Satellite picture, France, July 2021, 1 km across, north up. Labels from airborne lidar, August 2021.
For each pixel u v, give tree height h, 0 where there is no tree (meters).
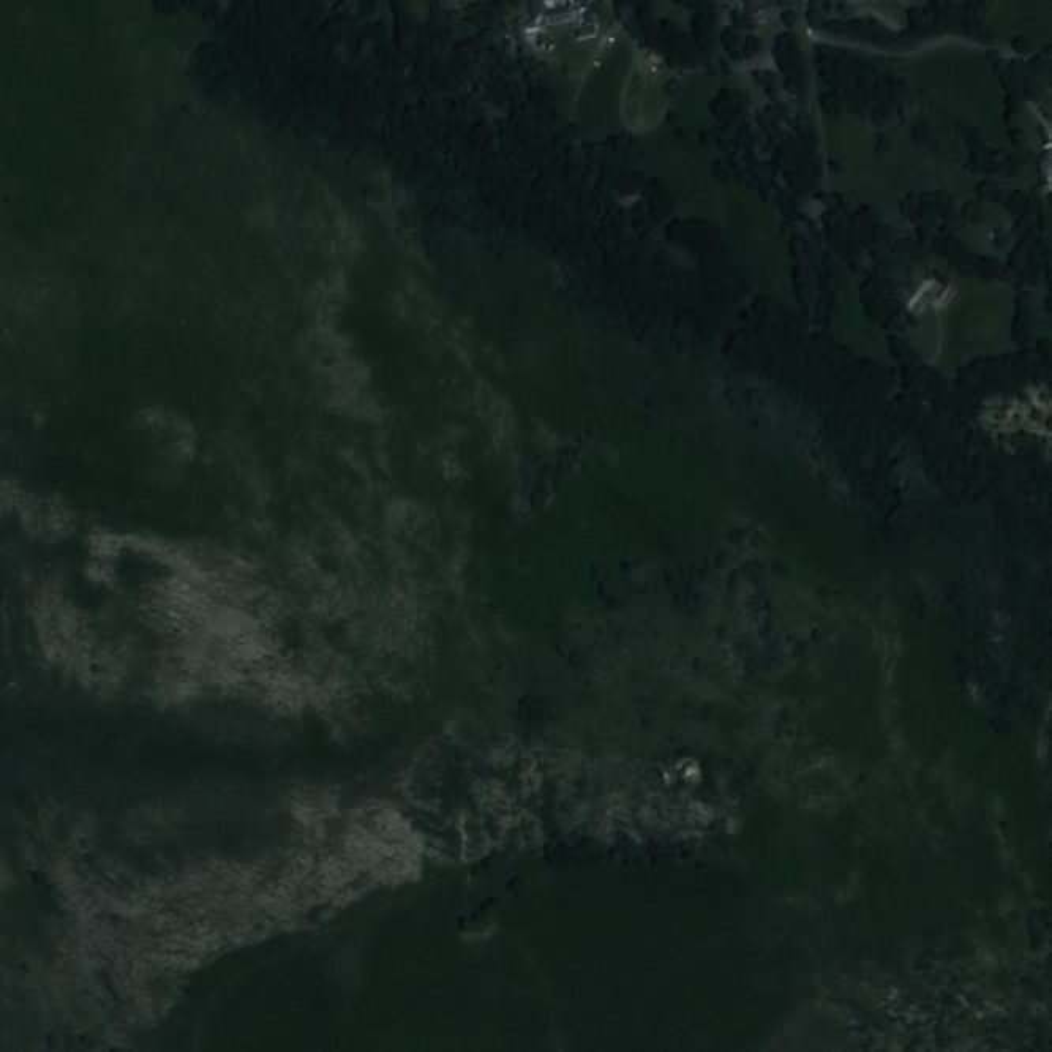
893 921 0
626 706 0
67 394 0
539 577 0
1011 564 14
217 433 0
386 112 18
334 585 0
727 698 0
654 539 0
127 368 0
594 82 0
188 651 0
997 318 0
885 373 30
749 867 0
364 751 0
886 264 13
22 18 0
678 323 22
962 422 12
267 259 0
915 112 22
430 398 0
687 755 13
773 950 0
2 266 0
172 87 0
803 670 0
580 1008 0
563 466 7
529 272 0
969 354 0
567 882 0
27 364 0
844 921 0
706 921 0
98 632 0
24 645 0
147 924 0
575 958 0
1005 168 21
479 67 20
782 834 0
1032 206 23
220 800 0
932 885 0
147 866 0
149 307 0
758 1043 0
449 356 0
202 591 0
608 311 15
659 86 0
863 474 20
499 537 0
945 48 0
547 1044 0
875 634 0
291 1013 0
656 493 0
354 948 0
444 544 0
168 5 20
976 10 15
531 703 8
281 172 0
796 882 0
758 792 0
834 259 14
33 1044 0
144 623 0
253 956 0
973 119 0
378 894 0
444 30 18
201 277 0
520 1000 0
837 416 19
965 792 0
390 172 7
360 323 0
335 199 0
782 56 21
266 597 0
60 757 0
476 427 0
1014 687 8
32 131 0
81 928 0
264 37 20
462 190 14
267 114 12
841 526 0
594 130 0
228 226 0
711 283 26
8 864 0
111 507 0
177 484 0
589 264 17
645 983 0
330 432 0
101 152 0
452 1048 0
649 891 0
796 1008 0
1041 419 15
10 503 0
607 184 22
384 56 27
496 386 0
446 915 0
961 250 24
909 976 0
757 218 0
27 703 0
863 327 0
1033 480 13
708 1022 0
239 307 0
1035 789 0
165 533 0
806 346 31
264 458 0
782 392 8
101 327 0
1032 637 7
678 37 28
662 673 0
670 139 0
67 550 0
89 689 0
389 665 0
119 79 0
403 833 0
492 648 0
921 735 0
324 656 0
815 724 0
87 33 0
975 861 0
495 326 0
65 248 0
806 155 28
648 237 22
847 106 16
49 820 0
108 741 0
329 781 0
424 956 0
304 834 0
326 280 0
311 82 16
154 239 0
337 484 0
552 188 23
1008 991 0
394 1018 0
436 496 0
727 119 30
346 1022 0
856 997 0
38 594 0
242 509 0
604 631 6
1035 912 8
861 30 24
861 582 0
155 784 0
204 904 0
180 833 0
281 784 0
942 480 17
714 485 0
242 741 0
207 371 0
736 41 20
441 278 0
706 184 0
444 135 19
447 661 0
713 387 6
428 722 0
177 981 0
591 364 0
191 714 0
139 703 0
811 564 0
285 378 0
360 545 0
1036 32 0
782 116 19
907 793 0
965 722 0
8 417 0
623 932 0
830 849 0
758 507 0
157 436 0
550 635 0
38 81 0
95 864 0
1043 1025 8
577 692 0
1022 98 14
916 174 0
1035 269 33
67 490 0
